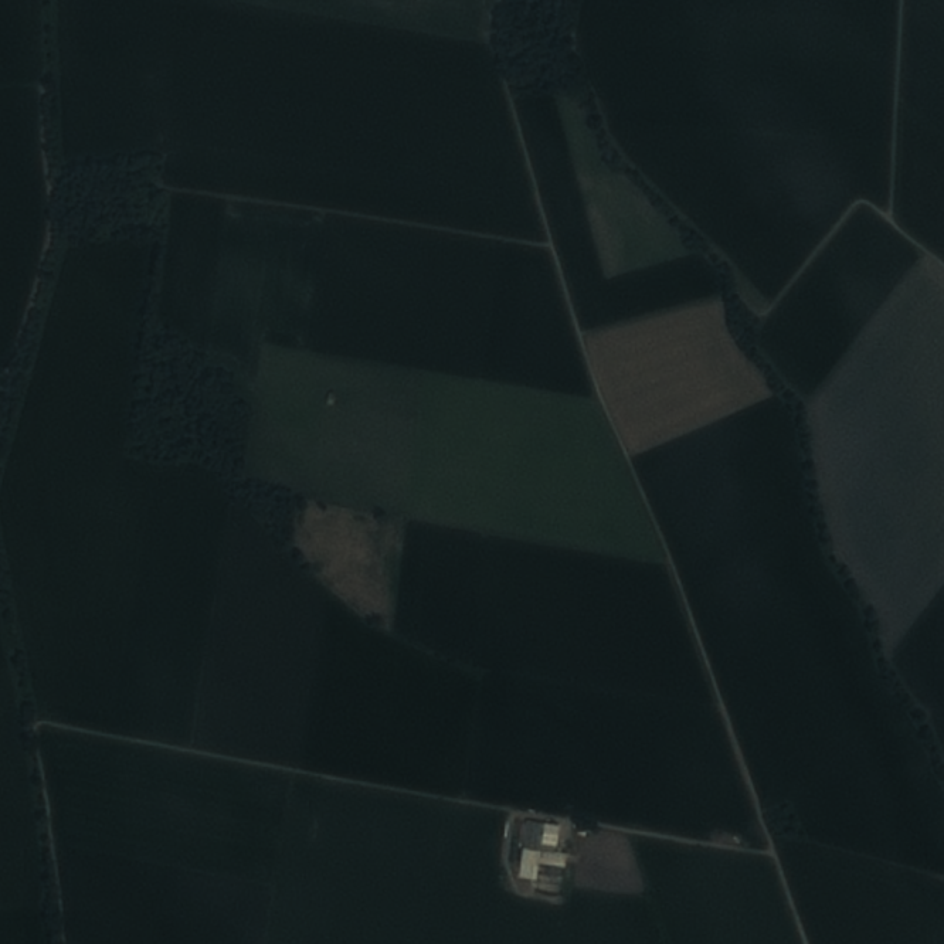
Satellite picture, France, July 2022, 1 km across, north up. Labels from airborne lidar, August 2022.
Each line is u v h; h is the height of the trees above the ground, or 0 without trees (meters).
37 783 19
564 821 0
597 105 15
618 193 0
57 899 13
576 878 0
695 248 18
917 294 0
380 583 0
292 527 21
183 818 0
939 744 10
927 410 0
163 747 0
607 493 0
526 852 0
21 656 7
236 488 18
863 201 0
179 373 21
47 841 15
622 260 0
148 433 6
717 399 0
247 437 14
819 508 12
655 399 0
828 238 0
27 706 10
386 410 0
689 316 0
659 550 0
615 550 0
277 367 0
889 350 0
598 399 0
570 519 0
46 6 7
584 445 0
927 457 0
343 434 0
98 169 20
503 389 0
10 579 8
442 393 0
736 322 19
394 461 0
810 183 0
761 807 0
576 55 21
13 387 15
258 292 0
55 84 17
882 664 11
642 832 0
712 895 0
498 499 0
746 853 0
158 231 16
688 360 0
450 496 0
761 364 13
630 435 0
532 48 11
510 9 17
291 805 0
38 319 13
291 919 0
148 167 10
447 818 0
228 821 0
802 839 7
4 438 12
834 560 11
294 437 0
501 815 0
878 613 13
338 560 0
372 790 0
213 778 0
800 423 11
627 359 0
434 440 0
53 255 9
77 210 22
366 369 0
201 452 10
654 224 0
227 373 18
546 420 0
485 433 0
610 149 18
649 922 0
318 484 0
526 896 0
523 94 9
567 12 22
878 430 0
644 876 0
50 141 14
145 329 7
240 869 0
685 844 0
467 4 0
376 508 0
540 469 0
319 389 0
